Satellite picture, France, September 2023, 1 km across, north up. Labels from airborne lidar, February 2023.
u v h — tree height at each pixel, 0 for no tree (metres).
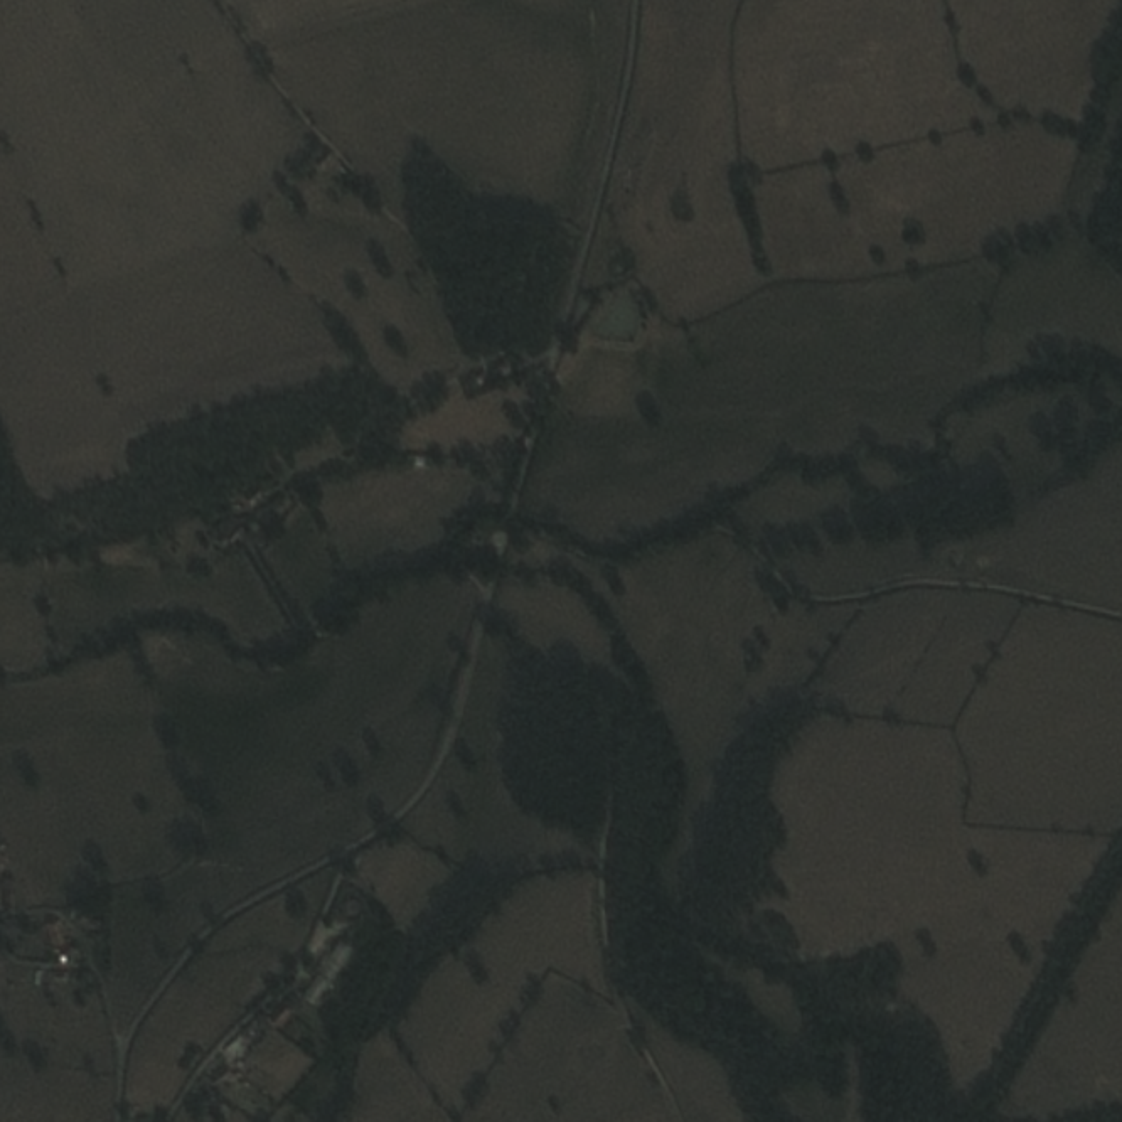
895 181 0
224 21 0
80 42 0
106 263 0
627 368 0
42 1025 0
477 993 0
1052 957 12
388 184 0
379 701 0
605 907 11
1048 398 0
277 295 0
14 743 0
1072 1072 0
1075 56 0
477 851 0
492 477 0
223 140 0
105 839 0
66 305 0
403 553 0
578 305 0
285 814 0
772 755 12
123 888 0
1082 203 0
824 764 0
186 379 0
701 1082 0
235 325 0
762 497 0
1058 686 0
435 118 0
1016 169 0
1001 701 0
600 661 0
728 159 0
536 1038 0
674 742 16
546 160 0
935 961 0
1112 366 13
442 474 0
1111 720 0
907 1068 9
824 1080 20
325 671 0
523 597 0
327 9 0
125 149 0
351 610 15
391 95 0
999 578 0
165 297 0
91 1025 0
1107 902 8
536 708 16
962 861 0
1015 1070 8
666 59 0
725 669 0
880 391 0
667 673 0
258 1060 0
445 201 23
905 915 0
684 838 0
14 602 0
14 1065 0
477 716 0
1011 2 0
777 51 0
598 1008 0
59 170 0
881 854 0
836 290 0
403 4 0
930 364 0
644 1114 0
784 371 0
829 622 0
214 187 0
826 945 0
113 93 0
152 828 0
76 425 0
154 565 0
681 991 30
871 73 0
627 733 21
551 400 15
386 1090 0
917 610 0
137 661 18
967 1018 0
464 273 17
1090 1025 0
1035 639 0
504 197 0
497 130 0
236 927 0
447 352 0
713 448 0
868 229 0
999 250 17
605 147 0
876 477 0
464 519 9
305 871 0
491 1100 0
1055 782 0
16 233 0
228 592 0
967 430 0
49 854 0
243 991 0
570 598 0
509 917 0
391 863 0
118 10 0
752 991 0
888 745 0
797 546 16
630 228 0
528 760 19
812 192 0
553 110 0
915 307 0
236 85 0
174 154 0
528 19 0
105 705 0
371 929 0
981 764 0
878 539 19
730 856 18
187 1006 0
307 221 0
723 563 0
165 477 19
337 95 0
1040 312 0
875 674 0
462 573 17
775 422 0
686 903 17
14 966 0
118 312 0
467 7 0
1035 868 0
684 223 0
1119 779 0
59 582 0
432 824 0
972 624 0
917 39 0
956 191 0
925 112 0
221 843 0
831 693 0
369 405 12
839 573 0
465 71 0
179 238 0
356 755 0
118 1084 0
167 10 0
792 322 0
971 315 0
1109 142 0
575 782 15
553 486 0
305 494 20
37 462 0
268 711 0
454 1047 0
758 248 13
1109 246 17
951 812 0
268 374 0
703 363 0
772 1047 25
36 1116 0
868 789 0
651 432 0
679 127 0
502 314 19
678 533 15
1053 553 0
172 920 0
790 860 0
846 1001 15
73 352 0
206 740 0
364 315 0
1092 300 0
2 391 0
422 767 0
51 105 0
